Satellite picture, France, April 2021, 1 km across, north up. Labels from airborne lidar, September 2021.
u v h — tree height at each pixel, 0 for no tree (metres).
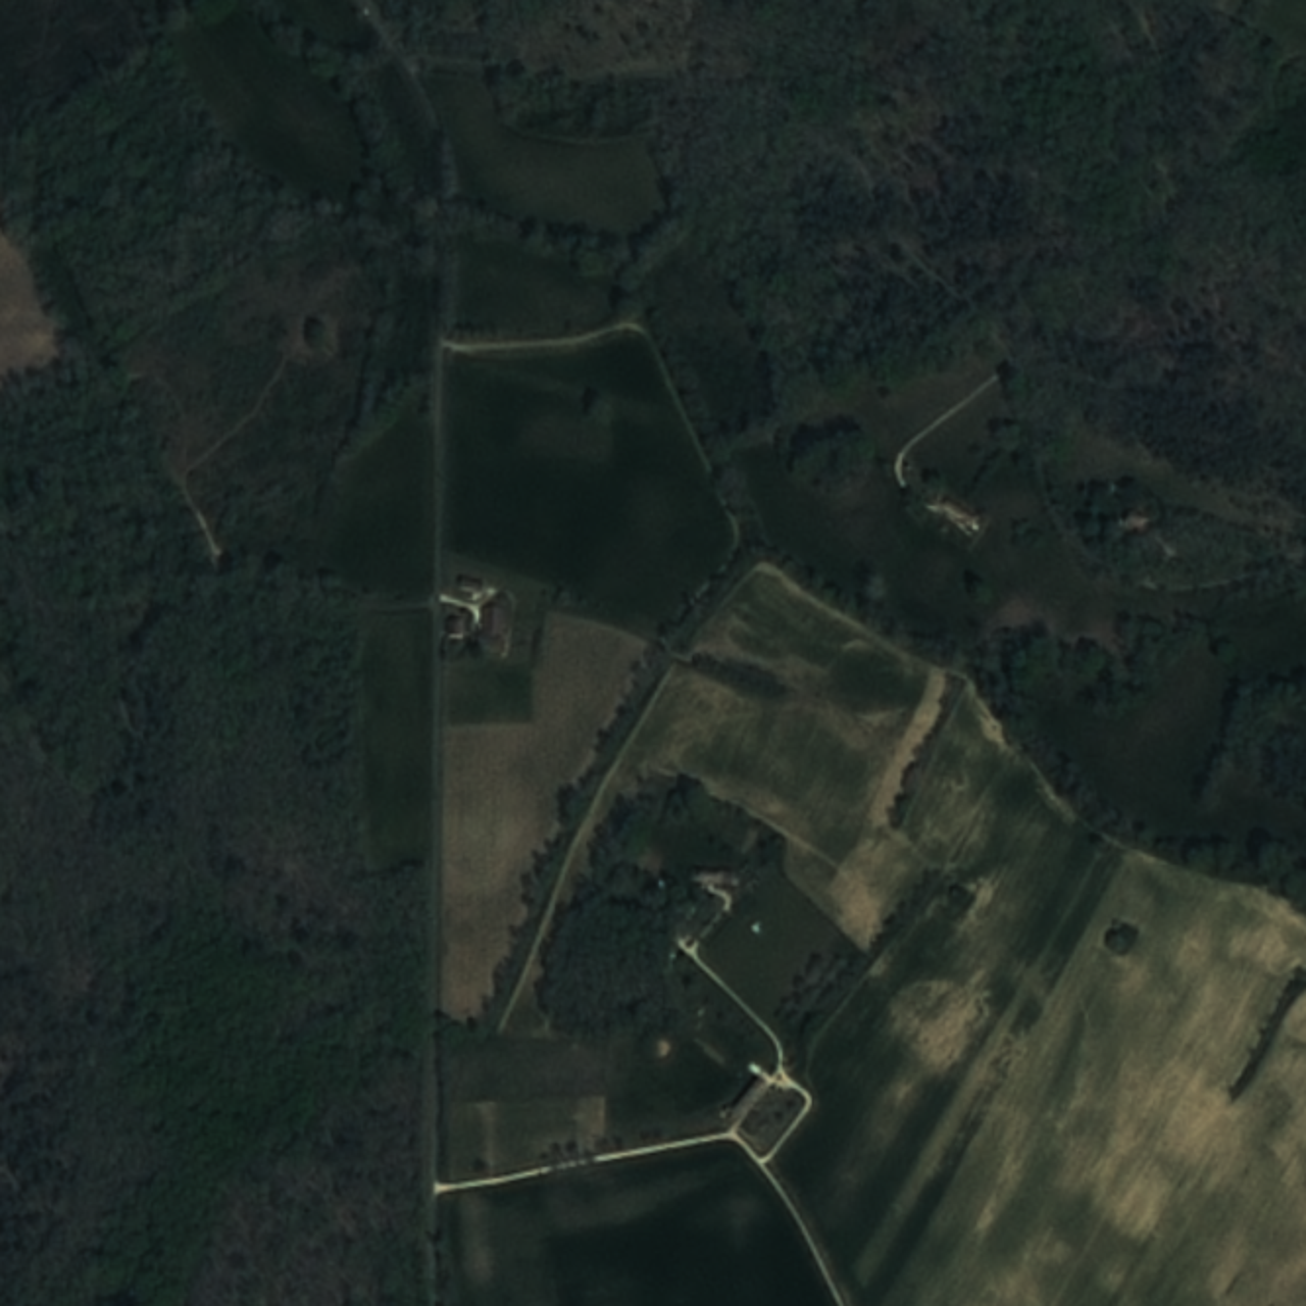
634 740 0
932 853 0
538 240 20
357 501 0
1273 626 0
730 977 0
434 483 0
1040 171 16
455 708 0
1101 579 16
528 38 20
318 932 17
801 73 26
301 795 22
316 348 16
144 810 8
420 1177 13
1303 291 20
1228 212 21
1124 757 0
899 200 19
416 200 19
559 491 0
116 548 19
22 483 7
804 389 24
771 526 0
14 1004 20
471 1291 0
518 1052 0
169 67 19
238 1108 27
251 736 20
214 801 20
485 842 0
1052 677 25
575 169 0
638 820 22
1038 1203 0
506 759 0
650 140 0
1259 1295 0
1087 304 20
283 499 8
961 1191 0
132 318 15
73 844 14
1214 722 0
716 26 16
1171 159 18
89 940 18
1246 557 22
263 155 0
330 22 0
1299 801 28
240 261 9
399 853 0
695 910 13
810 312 13
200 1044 26
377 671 0
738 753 0
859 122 20
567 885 0
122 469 16
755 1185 0
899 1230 0
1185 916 0
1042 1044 0
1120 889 0
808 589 14
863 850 0
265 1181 20
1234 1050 0
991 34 20
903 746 0
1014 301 16
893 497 0
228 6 23
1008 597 0
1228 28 17
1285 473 20
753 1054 0
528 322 0
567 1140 0
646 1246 0
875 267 20
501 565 0
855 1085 0
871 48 20
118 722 18
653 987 14
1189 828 0
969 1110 0
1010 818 0
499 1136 0
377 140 27
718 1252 0
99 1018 14
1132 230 20
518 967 14
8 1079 7
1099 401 13
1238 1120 0
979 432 0
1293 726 0
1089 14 19
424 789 0
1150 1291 0
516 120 16
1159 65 21
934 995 0
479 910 0
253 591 24
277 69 0
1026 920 0
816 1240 0
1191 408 21
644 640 0
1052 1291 0
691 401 15
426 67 15
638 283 16
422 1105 11
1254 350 12
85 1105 15
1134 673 23
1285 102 10
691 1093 0
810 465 30
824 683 0
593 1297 0
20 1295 17
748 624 0
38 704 24
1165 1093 0
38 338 0
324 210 18
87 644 23
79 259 20
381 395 11
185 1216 24
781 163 23
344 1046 22
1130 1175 0
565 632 0
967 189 14
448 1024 15
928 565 0
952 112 18
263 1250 17
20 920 23
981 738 0
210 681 23
